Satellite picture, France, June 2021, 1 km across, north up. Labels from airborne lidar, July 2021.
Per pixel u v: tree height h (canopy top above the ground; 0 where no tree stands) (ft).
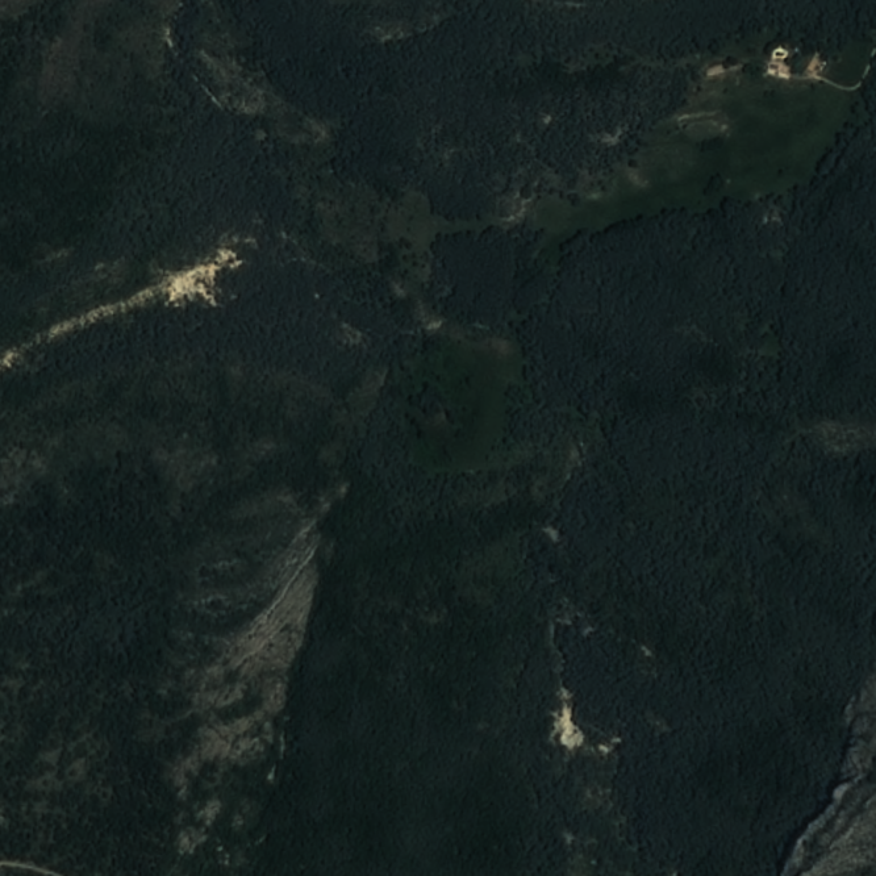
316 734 49
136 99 24
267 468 27
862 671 25
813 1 36
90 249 31
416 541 39
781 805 39
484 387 0
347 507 44
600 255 45
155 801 22
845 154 50
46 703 21
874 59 27
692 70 31
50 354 33
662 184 0
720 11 50
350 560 26
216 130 50
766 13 29
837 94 0
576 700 31
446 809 35
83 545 31
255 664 0
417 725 43
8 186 30
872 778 29
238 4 42
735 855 28
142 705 20
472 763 26
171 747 28
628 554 44
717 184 23
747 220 39
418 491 26
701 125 0
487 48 26
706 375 21
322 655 44
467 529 30
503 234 49
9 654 21
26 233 18
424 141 24
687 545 27
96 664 31
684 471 45
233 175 36
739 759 40
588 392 66
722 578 22
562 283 46
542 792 51
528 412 42
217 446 24
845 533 34
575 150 31
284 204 41
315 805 47
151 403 18
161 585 18
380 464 53
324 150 26
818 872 0
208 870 30
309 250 19
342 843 33
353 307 47
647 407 58
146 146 22
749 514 37
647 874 44
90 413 23
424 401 54
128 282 19
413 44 32
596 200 0
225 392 20
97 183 25
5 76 29
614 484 22
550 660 32
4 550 30
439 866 29
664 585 31
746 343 22
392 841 31
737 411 27
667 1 25
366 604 27
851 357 41
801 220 31
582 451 31
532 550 28
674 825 38
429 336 26
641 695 37
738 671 31
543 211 0
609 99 29
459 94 26
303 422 26
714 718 40
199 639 18
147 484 24
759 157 0
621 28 37
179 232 20
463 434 22
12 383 32
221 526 20
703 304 39
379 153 32
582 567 29
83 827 23
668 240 44
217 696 0
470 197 42
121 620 59
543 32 28
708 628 29
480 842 43
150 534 21
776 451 31
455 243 53
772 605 36
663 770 42
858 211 30
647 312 21
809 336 37
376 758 38
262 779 27
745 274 57
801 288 43
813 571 32
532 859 55
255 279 29
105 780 19
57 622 25
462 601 29
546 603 41
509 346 0
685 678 39
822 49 40
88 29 20
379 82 33
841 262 24
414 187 24
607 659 34
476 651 36
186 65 52
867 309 42
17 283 27
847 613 26
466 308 47
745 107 0
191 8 46
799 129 0
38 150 22
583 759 23
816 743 52
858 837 0
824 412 24
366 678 23
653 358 30
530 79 29
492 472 26
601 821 21
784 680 36
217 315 35
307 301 33
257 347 34
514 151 36
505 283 63
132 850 21
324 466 24
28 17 38
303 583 0
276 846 44
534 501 24
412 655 26
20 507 24
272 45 50
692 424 61
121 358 32
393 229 0
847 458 28
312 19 31
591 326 22
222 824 26
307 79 50
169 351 29
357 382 27
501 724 34
